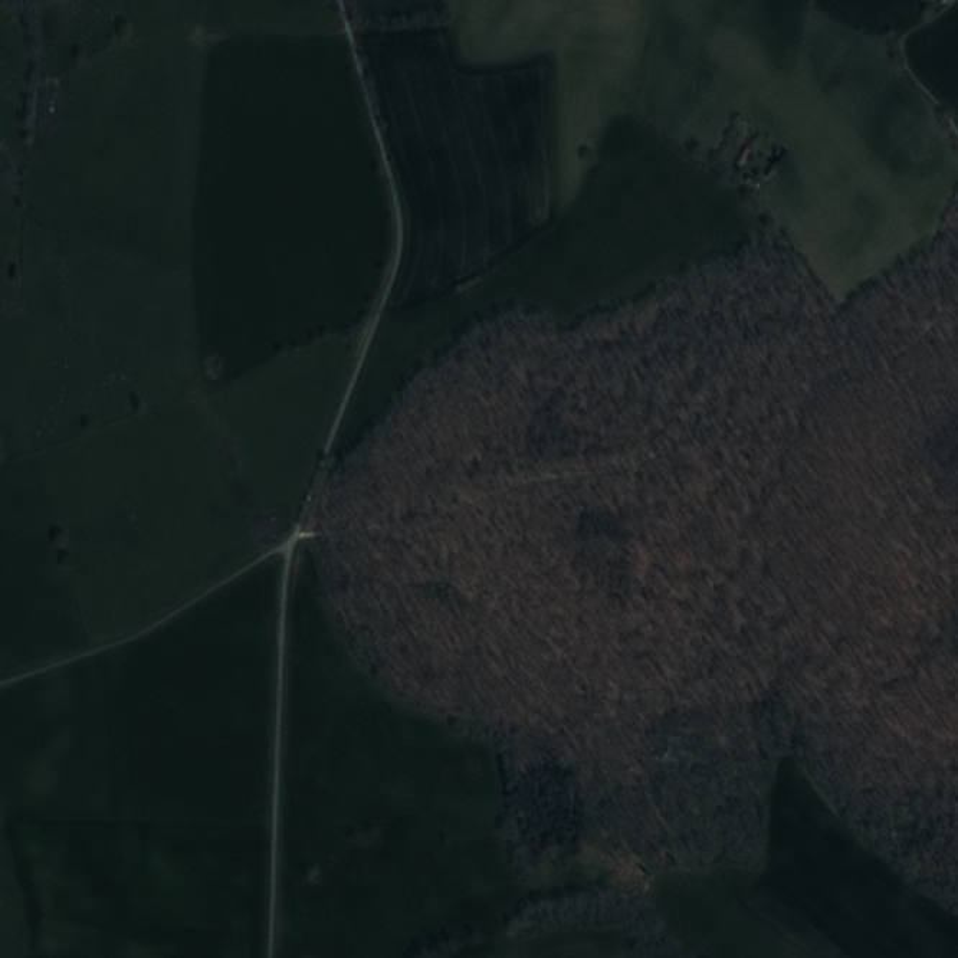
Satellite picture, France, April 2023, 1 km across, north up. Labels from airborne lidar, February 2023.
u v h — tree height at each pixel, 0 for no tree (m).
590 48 0
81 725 0
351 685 0
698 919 0
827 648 25
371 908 0
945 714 19
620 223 0
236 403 0
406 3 0
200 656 0
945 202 0
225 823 0
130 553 0
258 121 0
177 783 0
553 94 0
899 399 19
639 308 16
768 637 8
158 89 0
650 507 17
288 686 0
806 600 19
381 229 0
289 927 0
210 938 0
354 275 0
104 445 0
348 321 0
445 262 0
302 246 0
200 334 0
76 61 13
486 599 17
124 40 17
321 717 0
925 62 0
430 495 20
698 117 0
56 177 0
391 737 0
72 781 0
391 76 0
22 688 0
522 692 24
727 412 9
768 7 0
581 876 0
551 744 17
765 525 21
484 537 11
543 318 18
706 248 0
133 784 0
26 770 0
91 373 0
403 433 19
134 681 0
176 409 0
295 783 0
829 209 0
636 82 0
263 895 0
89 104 0
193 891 0
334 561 20
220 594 0
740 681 28
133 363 0
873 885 0
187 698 0
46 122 0
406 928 0
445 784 0
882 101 0
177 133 0
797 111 0
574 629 14
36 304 0
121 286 0
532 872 22
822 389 19
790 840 0
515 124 0
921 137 0
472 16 0
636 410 17
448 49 0
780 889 0
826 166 0
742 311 16
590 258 0
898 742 26
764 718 20
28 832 0
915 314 14
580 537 9
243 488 0
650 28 0
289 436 0
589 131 0
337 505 13
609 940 0
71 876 0
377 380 0
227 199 0
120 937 0
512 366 22
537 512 11
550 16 0
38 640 0
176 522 0
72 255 0
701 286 19
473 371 24
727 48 0
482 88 0
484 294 0
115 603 0
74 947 0
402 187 0
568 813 21
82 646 0
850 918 0
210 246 0
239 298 0
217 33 0
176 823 0
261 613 0
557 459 12
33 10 19
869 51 0
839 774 21
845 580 20
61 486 0
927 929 0
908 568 18
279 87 0
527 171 0
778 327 17
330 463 16
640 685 19
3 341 0
